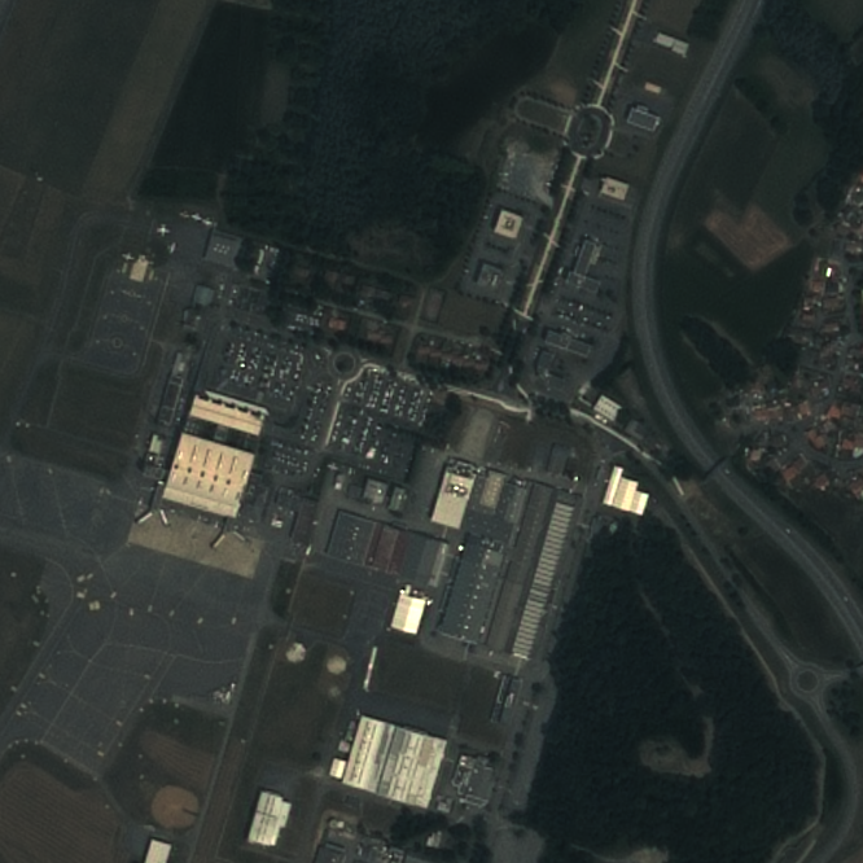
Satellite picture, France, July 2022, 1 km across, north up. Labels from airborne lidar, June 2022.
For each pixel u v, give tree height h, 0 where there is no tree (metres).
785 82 0
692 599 25
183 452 0
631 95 0
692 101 0
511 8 29
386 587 0
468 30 24
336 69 19
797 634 0
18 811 0
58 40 0
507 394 0
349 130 20
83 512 0
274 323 9
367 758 0
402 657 0
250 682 0
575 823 22
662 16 0
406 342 0
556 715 6
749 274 0
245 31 0
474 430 0
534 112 0
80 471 0
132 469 0
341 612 0
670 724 9
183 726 0
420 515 0
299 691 0
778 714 21
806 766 18
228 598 0
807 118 0
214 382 0
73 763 0
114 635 0
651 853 0
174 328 0
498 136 0
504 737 0
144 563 0
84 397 0
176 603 0
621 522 17
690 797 19
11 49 0
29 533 0
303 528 0
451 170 22
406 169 24
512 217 0
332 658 0
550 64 0
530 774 0
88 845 0
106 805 0
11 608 0
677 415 0
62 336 0
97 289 0
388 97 26
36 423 0
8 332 0
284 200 10
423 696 0
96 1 0
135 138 0
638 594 16
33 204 0
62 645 0
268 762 0
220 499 0
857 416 0
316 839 0
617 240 0
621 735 9
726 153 0
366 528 0
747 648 14
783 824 16
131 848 0
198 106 0
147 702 0
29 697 0
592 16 0
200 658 0
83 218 0
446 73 19
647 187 0
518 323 0
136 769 0
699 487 0
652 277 0
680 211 0
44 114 0
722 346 19
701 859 10
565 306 0
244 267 21
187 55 0
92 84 0
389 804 0
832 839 0
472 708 0
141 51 0
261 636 0
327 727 0
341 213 16
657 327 0
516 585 0
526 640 0
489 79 0
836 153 9
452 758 0
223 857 0
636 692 25
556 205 0
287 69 0
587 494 0
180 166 0
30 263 0
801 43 20
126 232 0
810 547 0
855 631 0
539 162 0
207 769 0
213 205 0
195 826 0
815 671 0
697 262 0
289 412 0
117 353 0
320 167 19
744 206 0
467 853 17
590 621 24
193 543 0
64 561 0
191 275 0
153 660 0
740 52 0
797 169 0
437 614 0
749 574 10
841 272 0
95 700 0
